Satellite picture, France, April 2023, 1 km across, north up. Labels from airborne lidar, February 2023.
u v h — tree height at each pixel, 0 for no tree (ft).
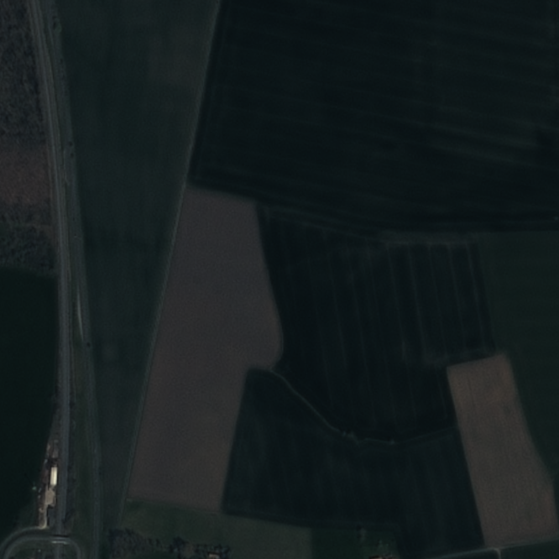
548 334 0
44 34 0
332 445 0
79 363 0
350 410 0
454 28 0
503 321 0
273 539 0
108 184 0
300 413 0
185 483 0
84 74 0
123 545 79
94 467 0
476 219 0
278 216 0
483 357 0
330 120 0
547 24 0
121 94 0
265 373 0
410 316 0
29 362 0
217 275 0
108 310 0
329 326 0
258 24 0
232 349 0
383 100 0
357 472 0
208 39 0
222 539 0
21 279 0
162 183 0
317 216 0
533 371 0
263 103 0
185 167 0
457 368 0
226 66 0
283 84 0
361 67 0
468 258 0
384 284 0
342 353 0
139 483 0
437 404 0
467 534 0
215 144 0
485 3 0
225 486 0
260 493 0
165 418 0
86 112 0
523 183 0
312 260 0
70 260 0
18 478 0
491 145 0
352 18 0
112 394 0
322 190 0
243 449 0
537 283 0
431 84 0
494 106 0
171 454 0
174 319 0
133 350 0
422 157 0
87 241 0
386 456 0
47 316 0
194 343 0
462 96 0
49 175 44
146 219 0
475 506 0
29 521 0
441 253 0
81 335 0
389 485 0
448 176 0
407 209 0
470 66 0
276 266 0
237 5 0
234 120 0
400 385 0
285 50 0
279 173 0
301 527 0
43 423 0
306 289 0
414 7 0
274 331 0
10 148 52
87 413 0
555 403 0
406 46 0
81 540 0
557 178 0
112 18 0
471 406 0
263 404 0
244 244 0
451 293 0
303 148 0
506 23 0
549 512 0
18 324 0
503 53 0
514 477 0
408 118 0
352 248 0
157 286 0
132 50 0
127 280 0
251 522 0
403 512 0
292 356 0
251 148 0
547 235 0
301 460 0
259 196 0
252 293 0
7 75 21
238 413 0
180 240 0
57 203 0
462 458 0
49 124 0
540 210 0
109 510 0
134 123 0
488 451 0
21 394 0
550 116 0
